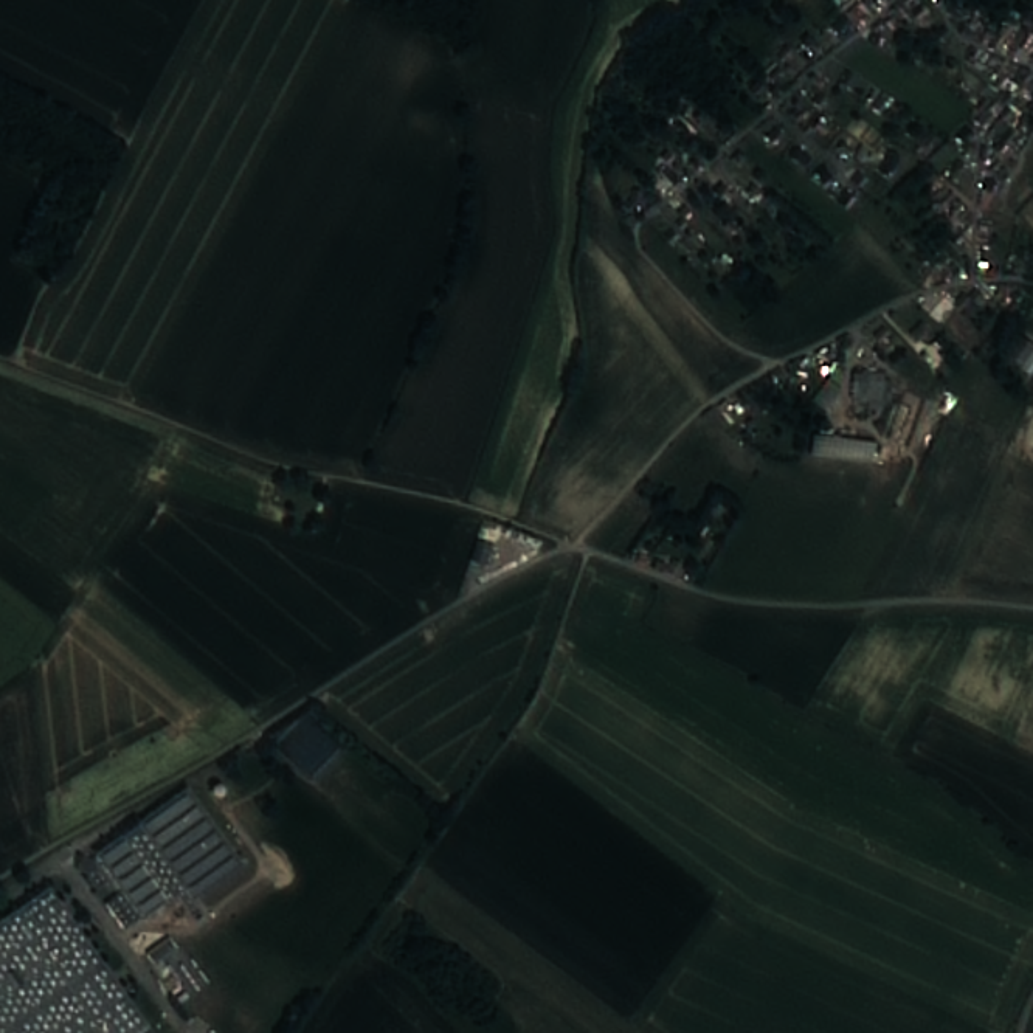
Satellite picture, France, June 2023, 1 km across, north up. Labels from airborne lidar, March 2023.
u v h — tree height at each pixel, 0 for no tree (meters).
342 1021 0
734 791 0
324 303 0
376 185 0
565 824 0
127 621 0
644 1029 0
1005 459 0
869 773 0
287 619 0
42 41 0
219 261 0
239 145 0
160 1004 0
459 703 0
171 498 0
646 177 12
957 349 9
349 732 11
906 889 0
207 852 0
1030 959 0
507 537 0
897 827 0
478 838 0
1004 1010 0
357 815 0
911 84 0
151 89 0
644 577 0
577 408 0
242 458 0
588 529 0
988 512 0
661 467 0
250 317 0
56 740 0
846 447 0
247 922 0
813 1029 0
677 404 0
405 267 0
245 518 0
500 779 0
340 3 0
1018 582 0
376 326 0
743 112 0
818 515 0
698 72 22
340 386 0
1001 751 0
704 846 0
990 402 0
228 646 0
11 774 0
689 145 12
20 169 0
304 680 0
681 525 17
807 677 0
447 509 0
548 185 0
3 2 0
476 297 0
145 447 0
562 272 0
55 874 0
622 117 14
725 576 0
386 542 0
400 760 0
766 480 0
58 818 0
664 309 0
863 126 0
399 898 0
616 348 0
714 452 0
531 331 0
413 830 0
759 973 0
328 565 0
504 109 0
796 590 0
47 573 0
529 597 0
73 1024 0
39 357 0
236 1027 0
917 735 0
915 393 0
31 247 18
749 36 0
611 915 0
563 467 0
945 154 0
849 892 0
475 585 0
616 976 0
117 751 0
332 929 0
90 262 0
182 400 0
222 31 0
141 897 0
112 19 0
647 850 0
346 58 0
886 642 0
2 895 17
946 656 0
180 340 0
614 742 0
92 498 0
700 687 0
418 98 0
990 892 0
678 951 0
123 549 0
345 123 0
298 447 0
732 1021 0
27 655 0
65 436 0
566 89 0
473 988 7
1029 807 0
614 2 0
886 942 0
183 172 0
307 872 0
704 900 0
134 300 0
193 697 0
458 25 22
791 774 0
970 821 0
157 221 0
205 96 0
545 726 0
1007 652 0
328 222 0
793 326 0
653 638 0
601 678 0
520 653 0
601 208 0
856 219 0
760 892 0
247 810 0
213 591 0
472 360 0
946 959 0
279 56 0
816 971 0
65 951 0
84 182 10
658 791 0
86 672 0
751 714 0
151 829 0
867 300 0
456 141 0
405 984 0
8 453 0
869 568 0
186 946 0
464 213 17
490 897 0
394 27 0
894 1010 0
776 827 0
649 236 0
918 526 0
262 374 0
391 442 0
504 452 0
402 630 0
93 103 0
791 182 0
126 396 0
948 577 0
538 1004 0
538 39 0
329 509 0
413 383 0
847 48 0
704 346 0
